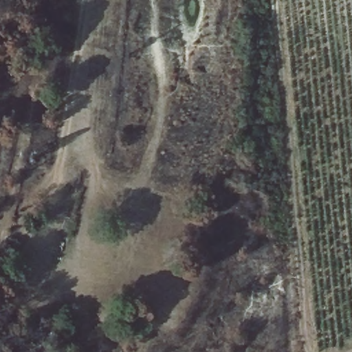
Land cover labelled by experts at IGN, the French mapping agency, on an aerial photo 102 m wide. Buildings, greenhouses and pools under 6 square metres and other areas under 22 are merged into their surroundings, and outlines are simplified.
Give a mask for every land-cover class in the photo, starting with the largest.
<instances>
[{"label":"bare soil","instance_id":"1","mask_svg":"<svg viewBox=\"0 0 352 352\"><path fill-rule=\"evenodd\" d=\"M38 5L48 7L59 21V25L56 26L59 37L54 43L63 54H52L54 59L49 60L45 70L49 76L66 82V99L54 109L44 107L38 100H32L30 95L15 96V87L10 85L0 91V245L7 239L11 225H19L21 234L32 236L29 245L33 246L38 254V272L32 279L33 291L37 294L32 309L34 319L40 322L41 318H54L56 313L66 315L67 320L74 326V335L84 342V349L87 352H305V341L302 340L298 326L302 316L301 275L300 268L287 265L290 254L287 252H280L278 246L271 245L268 236L258 234L247 227L249 221L260 219L263 201L254 192H247L245 176L236 172L239 168L245 169L246 166L253 164L249 158L242 155L241 148L235 153L225 150V144L231 140L228 132L232 129L228 109L235 100L234 95L228 93L227 85H231V80L236 81V78L241 76L238 69H241V65L238 63V55L228 51L231 41L225 38V33L231 30L232 21H238L239 14L245 12L241 0H199L197 22L195 26H188L184 16V0H157L158 33L161 36L165 73L157 76L151 54V45L154 41L150 33V0H38ZM60 147L67 148V183L52 184L43 190L38 183L54 166L56 151ZM181 181L202 186V191L208 194L206 206L216 210L217 219L205 225L179 223L180 199L177 198L176 186ZM113 202L121 203L122 221L129 225L128 236L120 242L96 243L88 235L92 213ZM181 232H186L188 238L195 236V241L203 247L201 256L205 265L190 280L173 276L161 263L166 242ZM111 290L120 291L124 302L139 300L146 305L148 312L153 313V320H132L131 338L121 345L107 338L99 326V302L104 297H109Z\"/></svg>","mask_w":352,"mask_h":352},{"label":"vineyard","instance_id":"2","mask_svg":"<svg viewBox=\"0 0 352 352\"><path fill-rule=\"evenodd\" d=\"M272 10L276 12L279 49L283 59L279 77L286 89V121L290 128L291 150L290 202L293 203V224L297 230V241H294L296 247L287 252L290 254L287 265L300 268L301 275H305V278L311 276L312 279L313 311L319 352H352V0H271Z\"/></svg>","mask_w":352,"mask_h":352},{"label":"coniferous trees","instance_id":"3","mask_svg":"<svg viewBox=\"0 0 352 352\"><path fill-rule=\"evenodd\" d=\"M59 21L48 7L38 5V0H0V91L10 85L15 87V96L30 95L32 100H38L44 107L54 109L66 99V82L49 76L45 70L49 60L54 59L52 54H63L54 43L59 37L56 26L59 25ZM177 198L180 199L179 223L205 225L217 219L216 210L206 206L208 194L202 191V186L181 181L176 186ZM121 203L113 202L92 213L88 235L96 243L120 242L128 236L129 225L122 221ZM19 225H11L7 239L0 245V352H87L84 349V342L74 335V326L67 320L66 315L56 313L54 318H41L40 322L34 319L32 309L37 294L33 291L32 279L38 272V254L33 246L29 245L32 236L21 234ZM161 263L173 276L190 280L205 265L201 256L203 247L195 241V236L188 238L186 232H181L166 242ZM99 326L107 338L121 345L131 338L132 320H153V313L148 312L146 305L139 300L124 302L120 291L111 290L109 297H104L99 302Z\"/></svg>","mask_w":352,"mask_h":352},{"label":"brushwood","instance_id":"4","mask_svg":"<svg viewBox=\"0 0 352 352\"><path fill-rule=\"evenodd\" d=\"M245 12L239 14L238 21H232L231 30L225 33V38L231 41L228 51L238 55V63L241 65V69H238L241 76L236 78V81L231 80V85H227L228 93L234 95L235 100L228 109L232 129L228 132L231 140L225 144V150L235 153L241 148L242 155L249 158L253 164L246 166L245 169L239 168L236 172L245 176L247 192H254L263 201L260 219L249 221L247 227L258 234L268 236L271 245L278 246L280 252H287L296 247L294 241H297V230L293 224V203L290 202L291 150L290 128L286 121V89L279 77L283 59L279 49L276 12L272 10L271 0H241Z\"/></svg>","mask_w":352,"mask_h":352},{"label":"pervious surface","instance_id":"5","mask_svg":"<svg viewBox=\"0 0 352 352\"><path fill-rule=\"evenodd\" d=\"M150 33L154 41L151 45V54L157 76L165 73L161 36L158 33L157 0H150ZM67 148L60 147L56 151L54 166L38 183L43 190L52 184L67 183ZM302 316L298 326L302 340L305 341V352H319L313 311L312 279L311 276L305 278V275H301Z\"/></svg>","mask_w":352,"mask_h":352},{"label":"water","instance_id":"6","mask_svg":"<svg viewBox=\"0 0 352 352\"><path fill-rule=\"evenodd\" d=\"M199 0H184V16L188 26H195L197 22Z\"/></svg>","mask_w":352,"mask_h":352}]
</instances>
